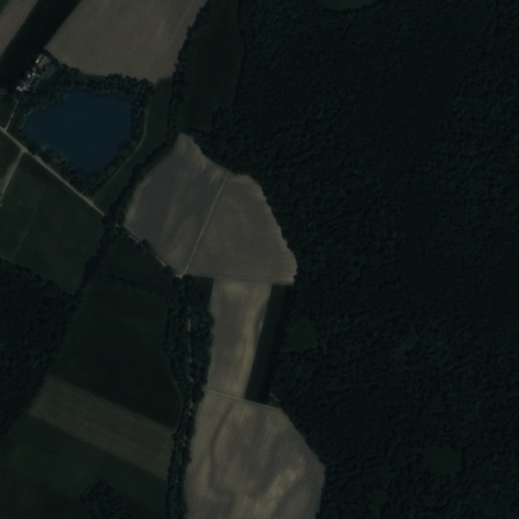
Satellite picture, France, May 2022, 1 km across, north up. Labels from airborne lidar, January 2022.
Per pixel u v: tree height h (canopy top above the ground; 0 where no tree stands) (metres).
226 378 0
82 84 19
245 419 0
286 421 0
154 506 0
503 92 20
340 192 18
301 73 17
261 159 18
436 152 23
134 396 0
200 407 0
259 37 19
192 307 19
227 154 21
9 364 20
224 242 0
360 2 0
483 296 22
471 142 25
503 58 21
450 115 15
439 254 23
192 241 0
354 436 11
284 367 25
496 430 16
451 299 20
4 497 0
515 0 20
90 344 0
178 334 17
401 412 24
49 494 0
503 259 19
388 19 22
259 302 0
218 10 0
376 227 22
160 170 0
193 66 0
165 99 0
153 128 0
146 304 0
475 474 24
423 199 18
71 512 0
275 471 0
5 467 0
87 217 0
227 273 0
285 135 20
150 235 0
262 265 0
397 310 15
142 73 0
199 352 19
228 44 0
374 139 16
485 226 23
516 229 23
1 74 0
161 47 0
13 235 0
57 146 0
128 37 0
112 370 0
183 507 21
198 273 0
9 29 0
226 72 0
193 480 0
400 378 9
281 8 22
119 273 0
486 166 21
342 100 19
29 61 0
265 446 0
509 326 19
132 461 0
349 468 10
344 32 17
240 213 0
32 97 17
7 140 0
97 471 0
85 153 0
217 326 0
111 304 0
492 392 23
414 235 16
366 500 22
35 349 7
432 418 22
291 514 0
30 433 0
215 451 0
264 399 0
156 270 0
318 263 16
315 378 20
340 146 21
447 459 0
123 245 0
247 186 0
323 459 14
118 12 0
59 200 0
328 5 0
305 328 0
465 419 23
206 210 0
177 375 15
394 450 26
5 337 9
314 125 21
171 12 0
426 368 18
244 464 0
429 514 23
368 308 11
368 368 7
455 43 24
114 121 0
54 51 0
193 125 0
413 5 20
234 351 0
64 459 0
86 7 0
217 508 0
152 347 0
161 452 0
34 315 6
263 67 13
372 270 9
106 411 0
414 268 21
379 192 14
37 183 0
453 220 25
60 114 0
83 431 0
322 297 17
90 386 0
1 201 0
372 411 9
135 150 0
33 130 0
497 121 10
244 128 17
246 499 0
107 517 26
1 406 10
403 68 14
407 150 16
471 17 23
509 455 21
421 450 21
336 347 21
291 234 20
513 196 22
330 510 22
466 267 21
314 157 18
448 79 16
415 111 15
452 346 25
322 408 9
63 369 0
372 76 17
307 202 18
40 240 0
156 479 0
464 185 21
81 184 15
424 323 24
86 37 0
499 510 25
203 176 0
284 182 18
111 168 13
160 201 0
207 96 0
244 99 15
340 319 17
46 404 0
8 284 18
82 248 0
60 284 0
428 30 21
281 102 15
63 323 17
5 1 0
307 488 0
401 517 6
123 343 0
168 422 0
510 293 19
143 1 0
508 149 19
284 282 0
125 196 16
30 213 0
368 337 23
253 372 0
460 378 22
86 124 0
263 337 0
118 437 0
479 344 25
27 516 0
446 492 22
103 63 0
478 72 19
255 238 0
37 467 0
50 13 0
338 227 19
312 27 17
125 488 0
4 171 0
